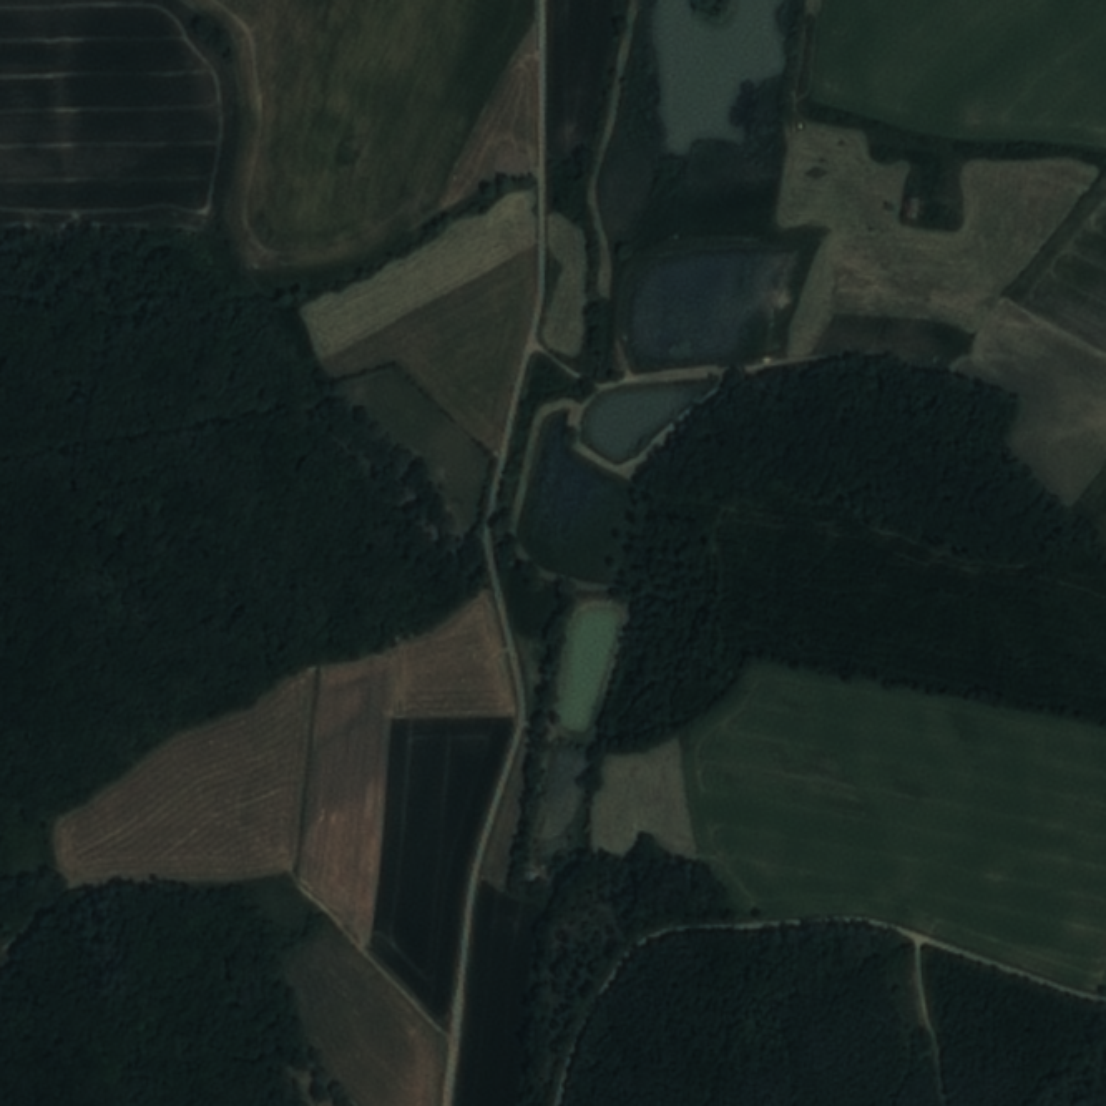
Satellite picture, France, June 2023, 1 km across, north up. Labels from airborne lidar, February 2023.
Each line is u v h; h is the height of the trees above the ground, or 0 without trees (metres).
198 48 0
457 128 0
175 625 21
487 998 0
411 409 0
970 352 0
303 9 0
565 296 0
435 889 0
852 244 0
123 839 0
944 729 0
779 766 0
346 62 0
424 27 0
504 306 0
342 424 18
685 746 0
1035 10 0
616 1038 11
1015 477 19
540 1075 16
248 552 21
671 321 0
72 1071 22
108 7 0
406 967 0
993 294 0
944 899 0
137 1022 20
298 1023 15
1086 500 0
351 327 0
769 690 0
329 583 21
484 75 0
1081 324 0
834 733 0
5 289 20
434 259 0
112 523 28
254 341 23
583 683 0
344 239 0
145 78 0
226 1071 20
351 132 0
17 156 0
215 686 24
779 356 0
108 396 23
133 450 23
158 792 0
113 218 0
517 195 0
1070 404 0
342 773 0
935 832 0
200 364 28
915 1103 16
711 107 0
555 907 8
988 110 0
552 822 0
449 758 0
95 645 25
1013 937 0
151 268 14
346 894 0
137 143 0
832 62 0
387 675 0
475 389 0
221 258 0
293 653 22
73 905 15
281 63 0
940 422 22
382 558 19
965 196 0
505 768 0
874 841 0
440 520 17
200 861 0
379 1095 0
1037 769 0
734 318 0
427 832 0
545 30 0
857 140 0
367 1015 0
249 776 0
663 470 21
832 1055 13
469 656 0
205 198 0
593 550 0
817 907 0
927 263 0
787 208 0
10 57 0
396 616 20
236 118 0
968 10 0
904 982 0
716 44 0
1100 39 0
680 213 0
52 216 0
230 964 17
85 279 17
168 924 21
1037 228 0
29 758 21
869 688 0
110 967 20
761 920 14
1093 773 0
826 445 21
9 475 25
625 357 0
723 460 21
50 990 20
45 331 22
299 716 0
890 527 27
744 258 0
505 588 0
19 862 0
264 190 0
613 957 16
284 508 21
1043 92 0
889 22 0
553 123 0
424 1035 0
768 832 0
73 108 0
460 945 0
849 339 0
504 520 15
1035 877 0
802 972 24
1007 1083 15
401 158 0
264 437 22
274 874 0
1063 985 0
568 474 0
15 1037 20
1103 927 0
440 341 0
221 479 27
